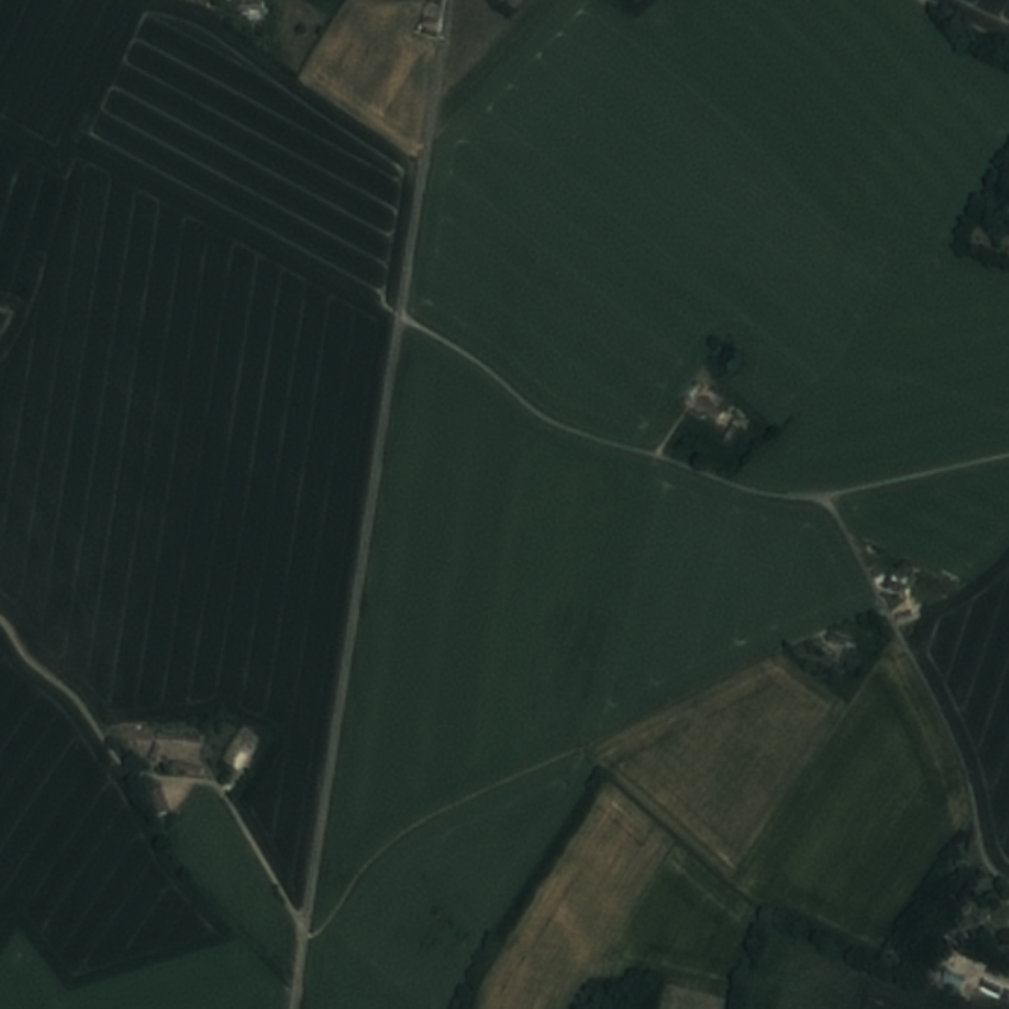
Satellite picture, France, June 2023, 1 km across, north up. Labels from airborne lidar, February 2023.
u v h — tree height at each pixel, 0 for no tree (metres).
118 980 0
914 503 0
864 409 0
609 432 0
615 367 0
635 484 0
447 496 0
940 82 0
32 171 0
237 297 0
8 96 0
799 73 0
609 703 0
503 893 0
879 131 0
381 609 0
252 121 0
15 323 0
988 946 17
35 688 0
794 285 0
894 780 0
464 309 0
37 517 0
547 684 0
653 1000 16
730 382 0
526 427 0
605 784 17
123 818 0
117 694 0
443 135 0
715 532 0
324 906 0
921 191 0
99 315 0
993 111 0
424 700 0
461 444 0
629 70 0
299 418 0
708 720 0
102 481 0
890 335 0
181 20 0
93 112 0
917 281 0
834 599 0
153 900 0
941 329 0
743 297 0
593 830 0
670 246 0
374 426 0
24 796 0
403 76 0
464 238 0
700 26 0
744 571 0
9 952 0
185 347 0
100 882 0
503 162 0
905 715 0
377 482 0
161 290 0
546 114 0
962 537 0
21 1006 0
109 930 0
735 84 0
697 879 0
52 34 0
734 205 0
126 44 0
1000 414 0
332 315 0
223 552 0
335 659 0
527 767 0
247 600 0
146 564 0
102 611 0
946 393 0
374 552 0
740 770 0
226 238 0
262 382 0
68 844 0
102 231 0
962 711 0
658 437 0
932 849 0
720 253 0
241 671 0
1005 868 0
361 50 0
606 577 0
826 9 0
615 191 0
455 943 0
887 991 0
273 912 0
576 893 0
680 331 0
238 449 0
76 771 0
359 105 0
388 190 0
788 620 0
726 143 0
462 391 0
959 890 10
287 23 0
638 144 0
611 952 0
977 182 0
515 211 0
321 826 0
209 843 0
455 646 0
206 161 0
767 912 16
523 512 0
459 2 0
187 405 0
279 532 0
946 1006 0
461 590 0
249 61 0
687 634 0
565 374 0
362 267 0
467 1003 16
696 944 0
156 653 0
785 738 0
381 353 0
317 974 0
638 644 0
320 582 0
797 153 0
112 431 0
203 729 10
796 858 0
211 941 0
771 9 0
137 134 0
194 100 0
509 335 0
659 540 0
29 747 0
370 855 0
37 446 0
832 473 0
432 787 0
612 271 0
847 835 0
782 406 0
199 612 0
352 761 0
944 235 0
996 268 20
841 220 0
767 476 0
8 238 0
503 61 0
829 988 0
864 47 0
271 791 0
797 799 0
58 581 0
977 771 0
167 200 0
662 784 0
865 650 0
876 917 0
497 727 0
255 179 0
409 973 0
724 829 0
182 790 0
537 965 0
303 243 0
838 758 0
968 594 0
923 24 0
